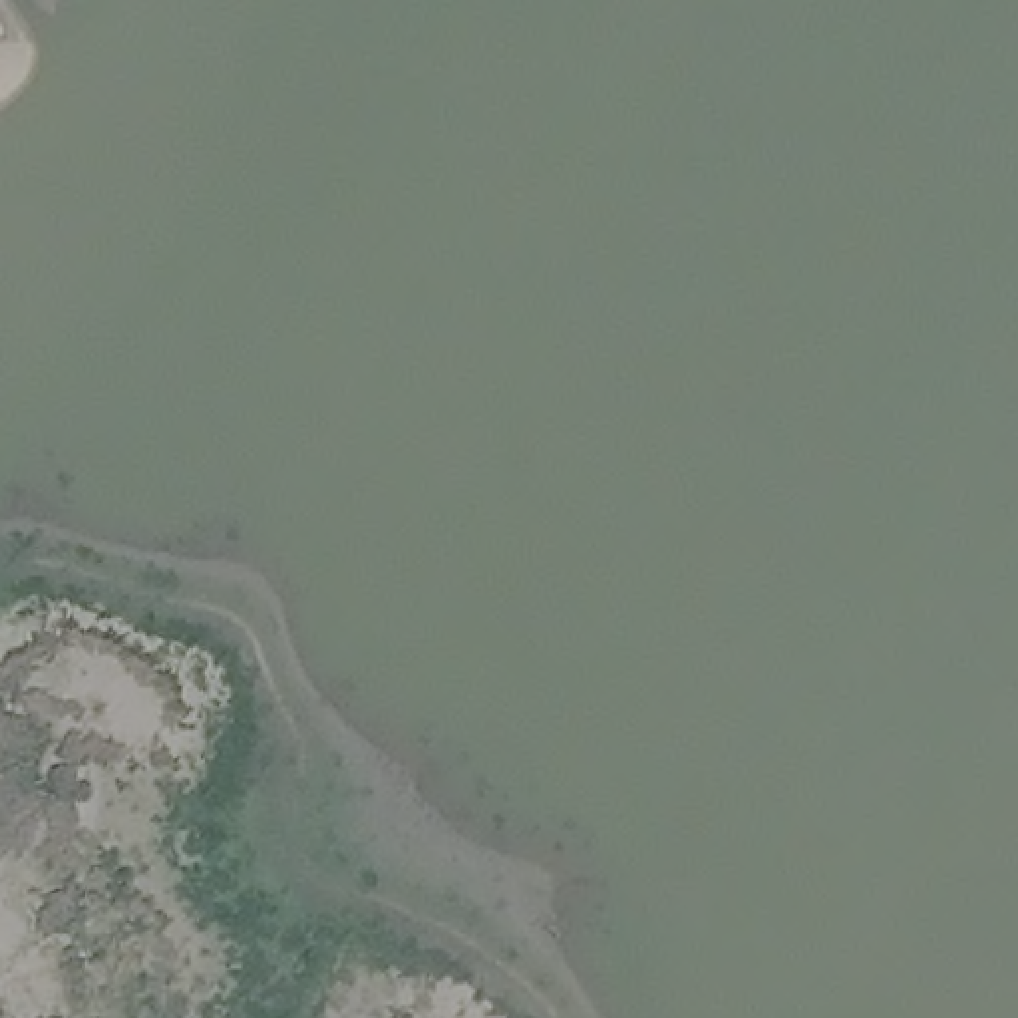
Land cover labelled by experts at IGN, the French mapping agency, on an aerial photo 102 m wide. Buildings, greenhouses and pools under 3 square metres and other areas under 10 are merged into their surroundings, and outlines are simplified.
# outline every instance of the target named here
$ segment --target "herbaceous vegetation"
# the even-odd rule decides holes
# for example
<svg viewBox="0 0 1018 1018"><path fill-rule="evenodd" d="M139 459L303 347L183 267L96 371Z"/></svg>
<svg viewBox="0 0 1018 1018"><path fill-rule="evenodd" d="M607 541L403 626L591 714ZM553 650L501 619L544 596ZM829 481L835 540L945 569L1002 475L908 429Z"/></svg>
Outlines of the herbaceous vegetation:
<svg viewBox="0 0 1018 1018"><path fill-rule="evenodd" d="M227 561L183 561L167 553L143 553L95 541L87 533L52 529L44 521L0 521L0 612L12 600L40 596L48 604L72 600L95 616L119 616L147 636L211 652L231 692L227 728L207 748L203 779L159 779L159 795L167 807L155 819L159 839L123 851L107 847L103 855L91 855L76 843L68 859L56 859L56 867L40 871L48 891L32 887L32 895L40 899L36 931L68 934L68 946L60 954L68 1010L44 1018L326 1018L330 986L354 982L362 966L402 970L406 978L461 982L473 990L477 1002L489 1002L497 1018L600 1018L553 942L545 942L541 934L533 946L521 946L501 923L481 915L477 903L441 887L441 879L406 875L386 859L394 843L358 811L362 775L342 771L338 744L350 732L302 672L282 600L262 573Z"/></svg>

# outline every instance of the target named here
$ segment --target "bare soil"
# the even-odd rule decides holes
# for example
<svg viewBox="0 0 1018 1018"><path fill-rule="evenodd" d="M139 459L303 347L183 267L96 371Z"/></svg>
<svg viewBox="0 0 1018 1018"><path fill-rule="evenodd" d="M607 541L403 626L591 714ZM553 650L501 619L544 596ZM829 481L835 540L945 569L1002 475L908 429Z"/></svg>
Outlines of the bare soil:
<svg viewBox="0 0 1018 1018"><path fill-rule="evenodd" d="M40 899L32 895L32 887L48 891L40 871L56 867L56 859L68 859L76 843L91 855L103 855L107 847L123 851L159 839L155 819L167 807L159 795L159 779L203 779L207 748L227 728L231 692L211 652L147 636L119 616L95 616L72 600L48 604L40 596L12 600L0 612L0 1018L44 1018L68 1010L60 954L68 946L68 934L36 931Z"/></svg>
<svg viewBox="0 0 1018 1018"><path fill-rule="evenodd" d="M489 1002L477 1002L473 990L461 982L406 978L402 970L362 966L354 982L330 986L326 1018L497 1018Z"/></svg>
<svg viewBox="0 0 1018 1018"><path fill-rule="evenodd" d="M422 803L414 787L414 767L386 760L374 744L350 732L338 744L342 771L362 775L358 811L394 843L386 859L406 875L441 879L441 887L477 903L481 915L501 923L521 946L533 946L541 934L545 942L553 942L561 938L561 927L553 911L553 871L453 835L449 819L437 815L437 807Z"/></svg>
<svg viewBox="0 0 1018 1018"><path fill-rule="evenodd" d="M56 12L68 0L0 0L0 107L28 84L36 64L32 44L52 28Z"/></svg>

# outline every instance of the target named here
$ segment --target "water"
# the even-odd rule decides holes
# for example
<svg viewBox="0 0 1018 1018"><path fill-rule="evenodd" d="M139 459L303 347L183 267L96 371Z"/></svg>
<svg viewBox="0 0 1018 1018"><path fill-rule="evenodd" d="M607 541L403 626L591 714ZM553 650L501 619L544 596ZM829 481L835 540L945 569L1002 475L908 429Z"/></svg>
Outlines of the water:
<svg viewBox="0 0 1018 1018"><path fill-rule="evenodd" d="M437 807L437 815L449 819L453 835L553 871L553 911L561 927L561 938L553 942L600 1018L1018 1018L1018 0L68 0L56 12L52 28L32 44L36 64L28 84L0 107L0 521L44 521L52 529L87 533L95 541L143 553L167 553L183 561L227 561L262 573L282 600L302 672L350 732L374 744L386 760L414 767L414 787L422 803Z"/></svg>

